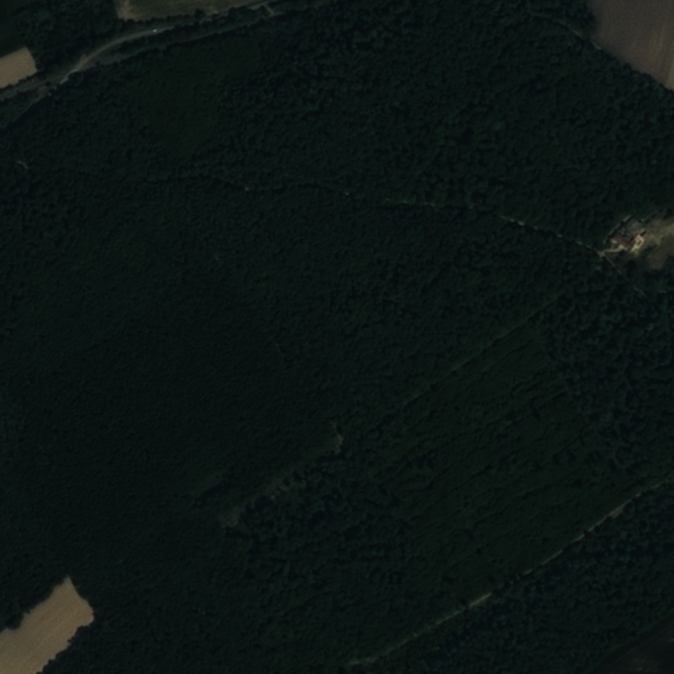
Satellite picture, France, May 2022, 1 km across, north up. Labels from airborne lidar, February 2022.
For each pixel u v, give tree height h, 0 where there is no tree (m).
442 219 14
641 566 33
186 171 23
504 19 29
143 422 21
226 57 15
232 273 23
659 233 0
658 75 0
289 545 29
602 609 28
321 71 33
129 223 21
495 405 10
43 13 15
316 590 29
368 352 22
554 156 31
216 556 24
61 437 23
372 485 28
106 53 0
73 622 0
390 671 30
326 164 26
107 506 20
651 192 27
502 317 25
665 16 0
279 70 24
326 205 21
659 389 30
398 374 25
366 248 22
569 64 33
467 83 25
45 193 25
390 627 26
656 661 0
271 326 22
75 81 18
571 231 25
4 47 0
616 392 26
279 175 23
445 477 6
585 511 7
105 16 18
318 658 21
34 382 22
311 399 22
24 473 22
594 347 31
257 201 23
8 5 0
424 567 30
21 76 0
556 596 28
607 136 29
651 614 20
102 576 20
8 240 28
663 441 27
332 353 25
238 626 25
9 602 18
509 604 27
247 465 21
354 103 25
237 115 21
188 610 27
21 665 0
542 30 35
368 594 29
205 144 16
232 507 20
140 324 23
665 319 30
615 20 0
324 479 25
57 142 28
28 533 21
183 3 0
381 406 24
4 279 25
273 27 13
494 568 7
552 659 28
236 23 16
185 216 20
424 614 26
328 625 25
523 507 10
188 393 21
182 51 14
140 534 20
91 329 20
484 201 29
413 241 23
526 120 26
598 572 30
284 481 0
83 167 25
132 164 27
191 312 21
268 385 21
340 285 22
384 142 25
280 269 24
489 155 29
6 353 21
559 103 28
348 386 25
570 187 30
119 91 16
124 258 20
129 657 26
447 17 26
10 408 22
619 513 0
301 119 28
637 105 25
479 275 24
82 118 27
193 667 25
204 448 19
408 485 8
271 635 27
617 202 29
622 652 0
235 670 21
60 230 26
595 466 27
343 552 31
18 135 25
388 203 10
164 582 27
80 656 25
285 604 27
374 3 21
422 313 26
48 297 22
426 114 26
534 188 31
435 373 25
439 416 6
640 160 28
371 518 29
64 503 22
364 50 31
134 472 24
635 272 21
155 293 20
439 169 32
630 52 0
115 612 22
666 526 32
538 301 27
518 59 27
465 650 28
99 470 22
